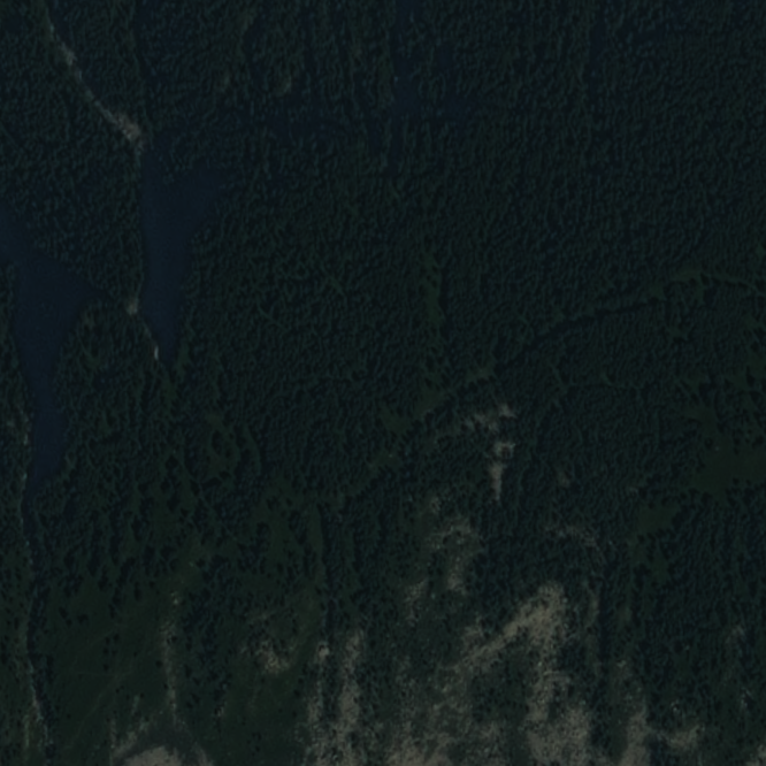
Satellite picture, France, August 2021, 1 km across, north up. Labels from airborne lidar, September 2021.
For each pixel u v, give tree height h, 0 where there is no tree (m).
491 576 15
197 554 0
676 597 16
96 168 15
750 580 15
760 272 22
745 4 20
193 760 0
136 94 22
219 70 18
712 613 10
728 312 23
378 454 21
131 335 21
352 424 21
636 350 27
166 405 21
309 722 0
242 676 0
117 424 20
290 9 15
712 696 15
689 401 23
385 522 14
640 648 0
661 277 22
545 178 29
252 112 27
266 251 23
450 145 18
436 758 0
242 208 17
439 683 0
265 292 27
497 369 0
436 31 6
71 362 19
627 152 24
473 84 21
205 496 9
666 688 12
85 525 20
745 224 22
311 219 28
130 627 0
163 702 0
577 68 21
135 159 24
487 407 12
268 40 20
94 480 21
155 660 0
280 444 25
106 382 13
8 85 24
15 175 8
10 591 15
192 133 16
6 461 19
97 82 15
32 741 0
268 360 22
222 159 15
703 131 16
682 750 0
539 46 23
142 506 0
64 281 31
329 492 18
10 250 0
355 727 0
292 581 8
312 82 8
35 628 9
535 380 21
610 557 17
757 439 0
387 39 17
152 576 12
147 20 12
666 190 24
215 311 21
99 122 27
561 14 9
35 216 20
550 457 19
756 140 23
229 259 24
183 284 9
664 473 18
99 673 0
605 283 15
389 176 0
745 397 19
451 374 15
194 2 19
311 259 24
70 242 7
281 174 24
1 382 19
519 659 0
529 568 18
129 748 0
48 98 25
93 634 0
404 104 0
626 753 0
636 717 0
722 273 18
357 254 24
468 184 24
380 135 19
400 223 16
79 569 16
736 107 26
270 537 16
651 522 0
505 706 8
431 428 10
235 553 0
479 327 23
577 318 14
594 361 23
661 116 26
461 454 12
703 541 12
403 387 18
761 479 0
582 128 28
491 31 20
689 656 12
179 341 22
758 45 22
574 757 0
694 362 23
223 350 19
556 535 8
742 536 8
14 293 7
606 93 28
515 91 24
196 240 9
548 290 16
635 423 25
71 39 22
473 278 24
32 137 21
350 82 20
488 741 0
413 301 26
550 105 21
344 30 19
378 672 11
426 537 0
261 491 15
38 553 11
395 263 24
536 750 0
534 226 25
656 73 21
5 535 15
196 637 9
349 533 12
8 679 0
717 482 0
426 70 15
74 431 8
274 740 0
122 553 16
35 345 9
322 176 11
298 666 0
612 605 18
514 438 8
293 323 17
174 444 20
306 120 15
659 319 24
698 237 24
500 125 23
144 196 0
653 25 32
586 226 23
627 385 22
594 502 20
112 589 18
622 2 29
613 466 18
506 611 8
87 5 25
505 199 21
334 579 12
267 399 19
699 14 21
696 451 24
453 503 8
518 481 19
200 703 12
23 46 30
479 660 0
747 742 7
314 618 0
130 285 24
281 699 0
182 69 22
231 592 7
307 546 15
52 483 40
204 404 20
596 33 10
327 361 19
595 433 21
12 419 19
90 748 0
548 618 0
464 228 22
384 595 17
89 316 9
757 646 22
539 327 18
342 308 25
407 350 25
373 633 11
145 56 10
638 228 15
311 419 19
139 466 22
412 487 12
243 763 0
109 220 7
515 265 18
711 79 27
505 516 18
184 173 17
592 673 12
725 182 18
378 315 23
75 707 0
